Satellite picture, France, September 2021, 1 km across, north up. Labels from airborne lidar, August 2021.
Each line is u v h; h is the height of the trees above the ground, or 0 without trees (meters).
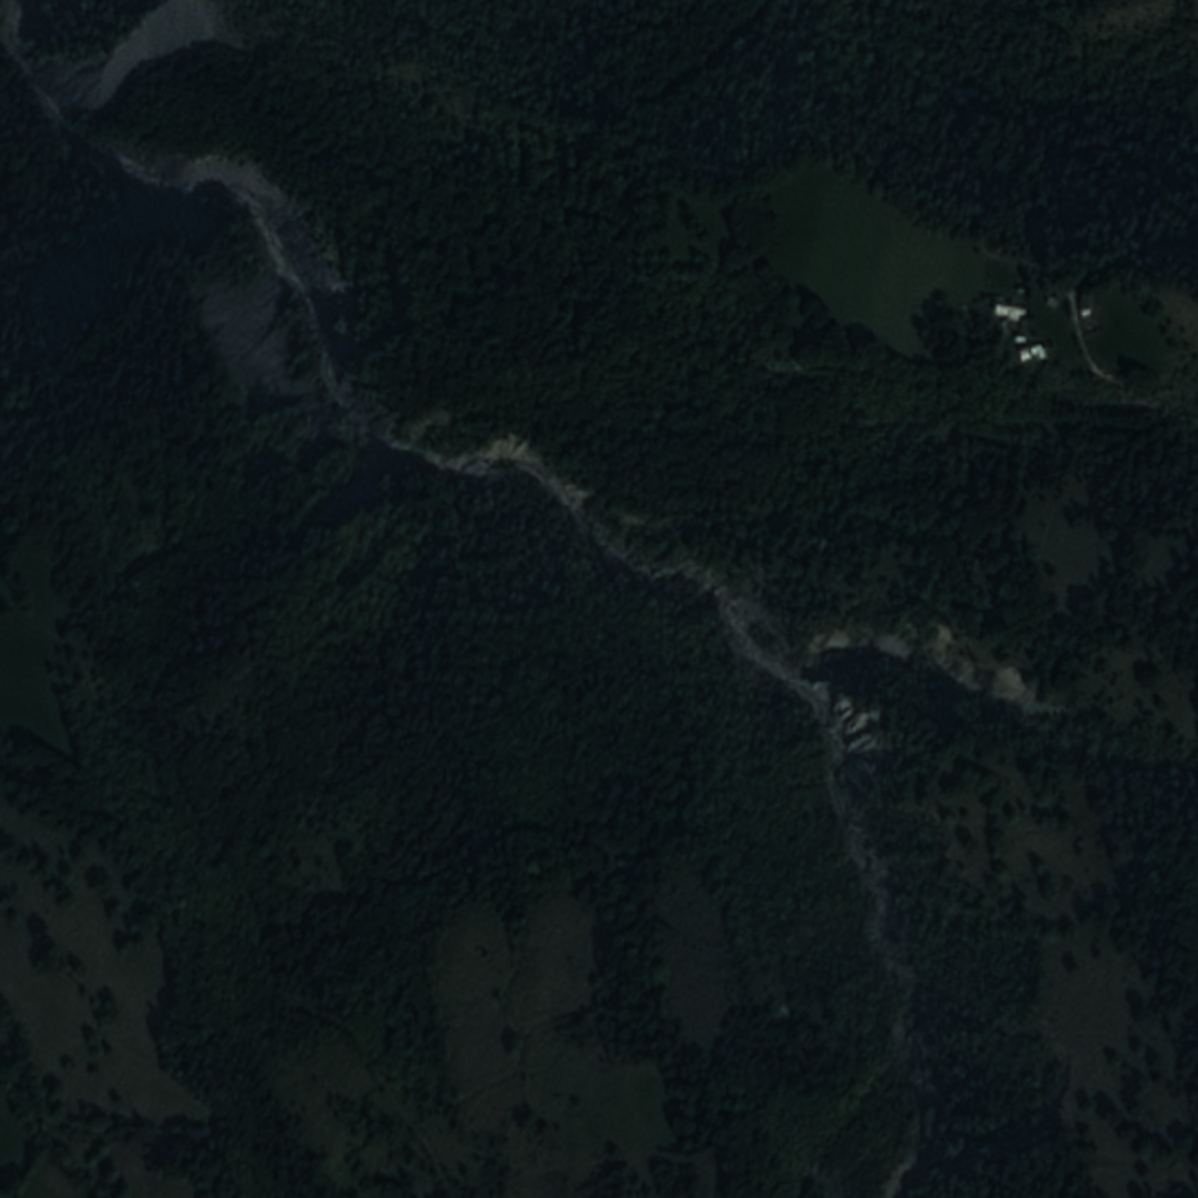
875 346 16
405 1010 18
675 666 13
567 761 17
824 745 13
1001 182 17
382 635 16
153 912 13
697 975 0
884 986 7
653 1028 19
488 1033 0
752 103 20
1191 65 14
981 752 13
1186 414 8
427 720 19
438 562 18
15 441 23
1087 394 7
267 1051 16
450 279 32
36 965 11
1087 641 17
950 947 10
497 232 23
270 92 27
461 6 19
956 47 15
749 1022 14
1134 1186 0
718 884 13
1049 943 13
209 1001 16
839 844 11
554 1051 0
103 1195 10
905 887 9
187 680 16
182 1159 16
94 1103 0
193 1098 15
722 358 11
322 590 11
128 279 22
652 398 14
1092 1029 0
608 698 14
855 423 19
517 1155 0
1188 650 18
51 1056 0
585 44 14
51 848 0
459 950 0
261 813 15
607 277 16
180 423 23
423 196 36
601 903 16
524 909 15
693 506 27
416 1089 10
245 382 0
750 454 22
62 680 10
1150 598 15
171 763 10
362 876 15
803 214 0
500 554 11
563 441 25
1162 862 19
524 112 11
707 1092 19
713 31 24
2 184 21
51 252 16
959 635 9
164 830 16
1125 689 0
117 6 10
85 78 0
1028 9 13
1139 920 15
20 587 12
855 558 20
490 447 10
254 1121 19
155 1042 15
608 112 16
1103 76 18
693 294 18
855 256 0
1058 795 14
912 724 11
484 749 18
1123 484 23
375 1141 13
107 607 19
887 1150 10
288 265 0
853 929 9
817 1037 12
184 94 29
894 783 11
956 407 14
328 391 6
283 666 14
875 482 21
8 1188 15
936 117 20
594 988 10
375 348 13
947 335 15
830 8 21
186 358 26
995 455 11
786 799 11
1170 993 13
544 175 17
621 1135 0
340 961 17
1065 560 0
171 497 20
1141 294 7
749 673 0
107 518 16
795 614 8
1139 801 16
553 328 16
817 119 17
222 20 7
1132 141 13
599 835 8
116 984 0
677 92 22
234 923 15
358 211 30
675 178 19
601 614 20
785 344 14
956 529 25
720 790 14
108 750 17
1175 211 15
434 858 8
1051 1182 13
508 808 17
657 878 9
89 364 22
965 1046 10
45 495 24
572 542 10
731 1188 17
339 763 13
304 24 13
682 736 15
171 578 24
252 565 25
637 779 17
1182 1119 0
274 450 8
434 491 18
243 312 0
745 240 20
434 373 25
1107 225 15
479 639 19
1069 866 0
